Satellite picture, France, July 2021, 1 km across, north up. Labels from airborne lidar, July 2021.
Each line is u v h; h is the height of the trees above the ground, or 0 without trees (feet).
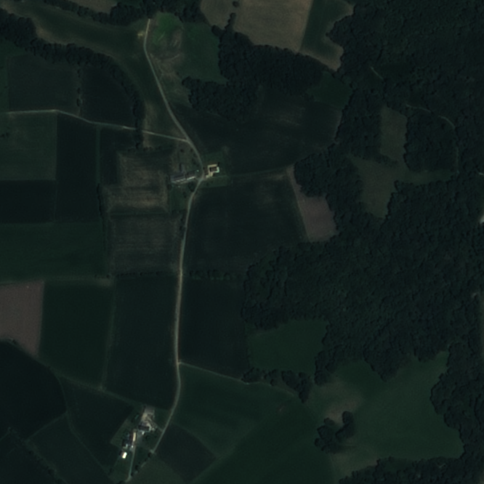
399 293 73
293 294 59
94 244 0
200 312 0
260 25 0
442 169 49
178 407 0
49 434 0
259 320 88
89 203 0
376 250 60
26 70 0
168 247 0
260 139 0
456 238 69
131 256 0
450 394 84
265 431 0
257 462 0
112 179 0
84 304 0
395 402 0
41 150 0
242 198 0
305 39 0
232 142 0
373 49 73
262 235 0
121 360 0
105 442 0
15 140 0
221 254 0
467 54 97
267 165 0
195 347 0
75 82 0
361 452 0
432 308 96
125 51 0
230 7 0
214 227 0
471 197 98
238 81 50
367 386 0
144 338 0
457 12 61
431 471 68
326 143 0
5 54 0
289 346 0
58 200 0
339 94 0
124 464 0
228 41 82
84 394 0
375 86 23
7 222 0
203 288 0
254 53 81
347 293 45
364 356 62
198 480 0
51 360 0
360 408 0
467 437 80
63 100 0
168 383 0
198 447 0
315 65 79
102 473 0
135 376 0
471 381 62
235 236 0
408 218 73
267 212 0
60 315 0
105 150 0
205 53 0
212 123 0
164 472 0
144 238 0
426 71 67
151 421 0
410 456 0
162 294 0
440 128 28
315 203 0
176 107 0
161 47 0
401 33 62
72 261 0
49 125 0
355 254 58
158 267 0
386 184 0
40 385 0
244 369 0
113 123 0
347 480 32
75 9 67
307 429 0
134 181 0
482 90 90
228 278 32
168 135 0
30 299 0
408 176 0
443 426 0
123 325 0
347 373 0
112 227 0
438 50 96
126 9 63
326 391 0
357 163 0
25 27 84
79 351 0
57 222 0
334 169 89
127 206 0
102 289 0
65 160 0
